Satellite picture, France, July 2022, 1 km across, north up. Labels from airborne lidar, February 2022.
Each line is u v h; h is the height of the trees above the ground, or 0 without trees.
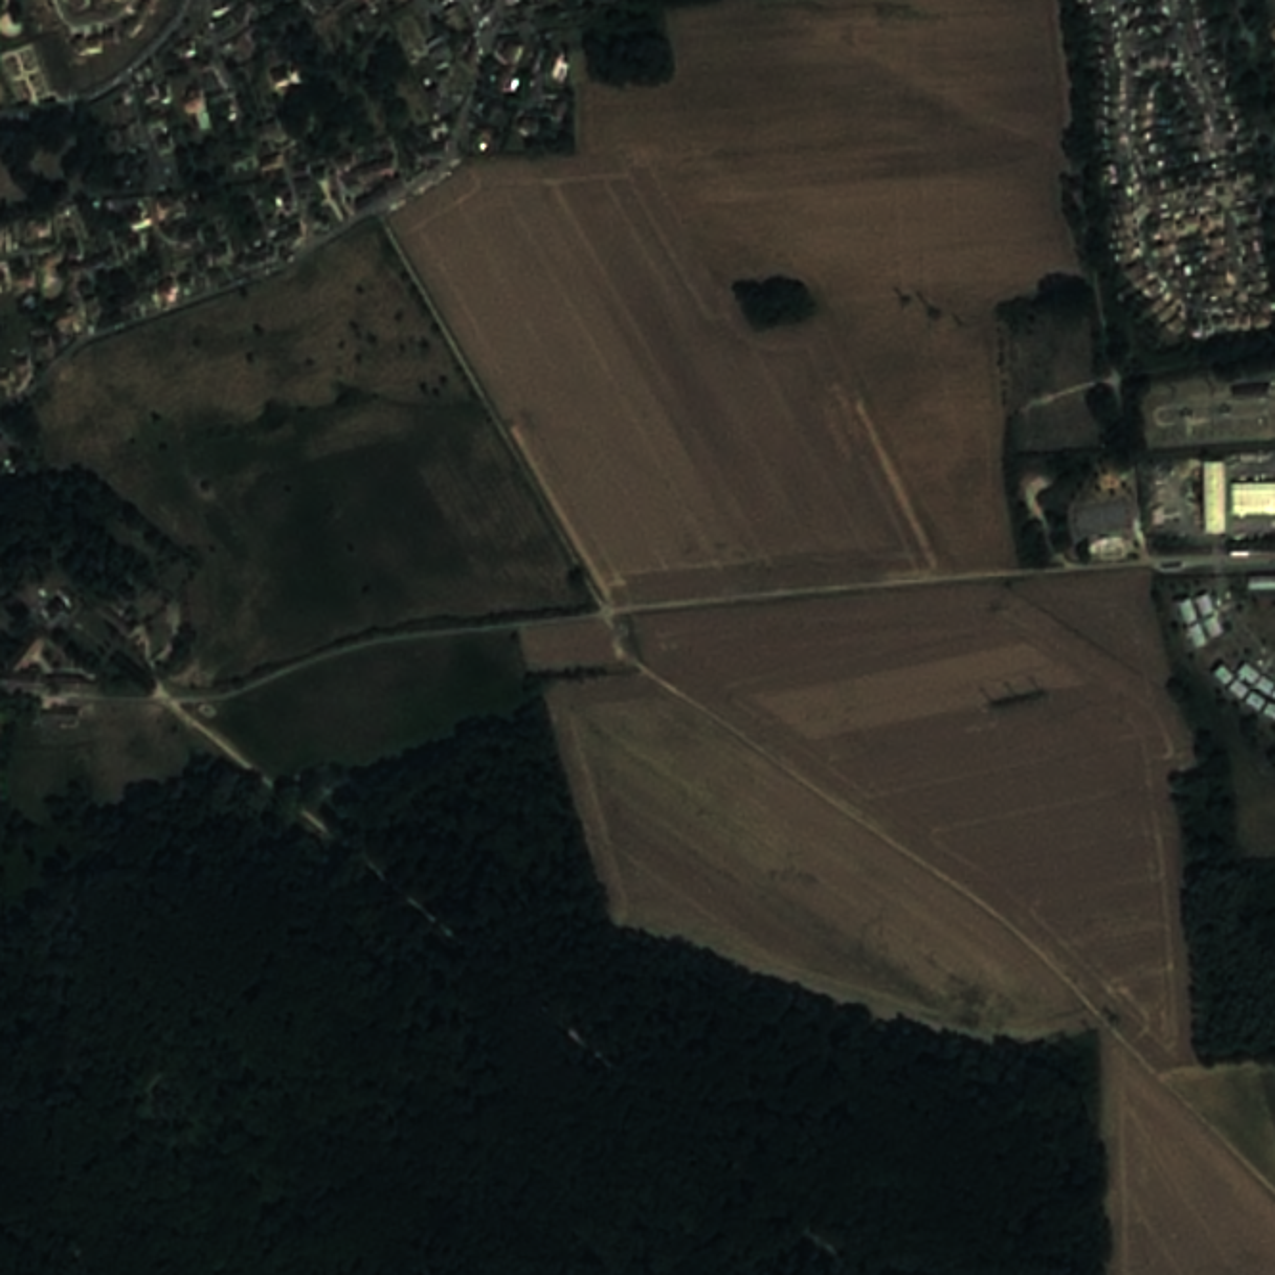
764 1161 33
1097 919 0
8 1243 26
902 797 0
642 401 0
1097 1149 21
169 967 28
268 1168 17
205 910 32
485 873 27
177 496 0
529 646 0
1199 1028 12
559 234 0
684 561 0
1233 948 18
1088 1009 0
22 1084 28
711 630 0
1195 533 0
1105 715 0
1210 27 7
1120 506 0
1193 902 14
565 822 19
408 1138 27
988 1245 27
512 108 5
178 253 0
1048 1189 28
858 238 0
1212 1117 0
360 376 0
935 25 0
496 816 25
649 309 0
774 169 0
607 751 0
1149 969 0
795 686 0
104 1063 16
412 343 7
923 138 0
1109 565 0
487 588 0
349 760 0
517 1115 26
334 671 0
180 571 0
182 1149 11
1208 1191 0
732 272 0
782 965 0
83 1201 24
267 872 30
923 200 0
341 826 26
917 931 0
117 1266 28
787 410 0
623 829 0
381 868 0
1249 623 0
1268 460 0
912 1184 30
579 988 30
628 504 0
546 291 0
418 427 0
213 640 0
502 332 0
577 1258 25
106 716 0
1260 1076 0
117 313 10
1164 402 0
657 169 0
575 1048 31
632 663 0
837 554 0
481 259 0
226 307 0
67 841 0
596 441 0
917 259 0
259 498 0
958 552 0
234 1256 23
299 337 0
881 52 0
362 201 0
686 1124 27
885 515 0
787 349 0
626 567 0
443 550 0
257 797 23
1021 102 0
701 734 0
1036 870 0
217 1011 23
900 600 0
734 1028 26
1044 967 0
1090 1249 21
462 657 0
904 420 0
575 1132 25
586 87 0
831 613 0
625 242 0
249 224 9
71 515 19
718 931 0
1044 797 0
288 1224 21
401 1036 26
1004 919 0
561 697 0
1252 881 16
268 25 8
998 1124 31
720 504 0
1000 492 0
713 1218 30
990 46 0
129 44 0
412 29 0
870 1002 0
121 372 0
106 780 0
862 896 0
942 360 0
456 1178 21
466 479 0
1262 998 17
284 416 0
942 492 0
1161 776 0
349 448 0
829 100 0
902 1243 31
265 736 0
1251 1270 0
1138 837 0
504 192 0
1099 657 0
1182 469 0
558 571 0
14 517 20
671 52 11
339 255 0
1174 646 0
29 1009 23
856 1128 32
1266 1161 0
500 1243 26
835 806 0
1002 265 0
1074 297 24
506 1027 26
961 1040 9
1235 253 0
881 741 0
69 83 0
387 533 0
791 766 0
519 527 0
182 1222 19
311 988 27
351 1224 28
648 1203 25
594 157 0
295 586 0
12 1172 26
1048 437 0
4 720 11
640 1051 23
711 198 0
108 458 0
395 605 0
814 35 0
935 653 0
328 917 30
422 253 0
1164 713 0
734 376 0
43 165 0
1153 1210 0
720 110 0
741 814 0
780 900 0
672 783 0
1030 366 0
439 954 25
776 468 0
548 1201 26
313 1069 26
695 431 0
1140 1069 0
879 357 0
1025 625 0
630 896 0
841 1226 28
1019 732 0
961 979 0
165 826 27
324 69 17
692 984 24
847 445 0
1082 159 16
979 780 0
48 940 29
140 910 29
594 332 0
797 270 0
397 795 29
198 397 0
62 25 0
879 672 0
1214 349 16
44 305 8
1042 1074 27
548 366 0
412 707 0
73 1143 26
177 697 0
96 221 17
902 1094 30
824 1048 29
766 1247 26
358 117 12
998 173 0
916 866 0
